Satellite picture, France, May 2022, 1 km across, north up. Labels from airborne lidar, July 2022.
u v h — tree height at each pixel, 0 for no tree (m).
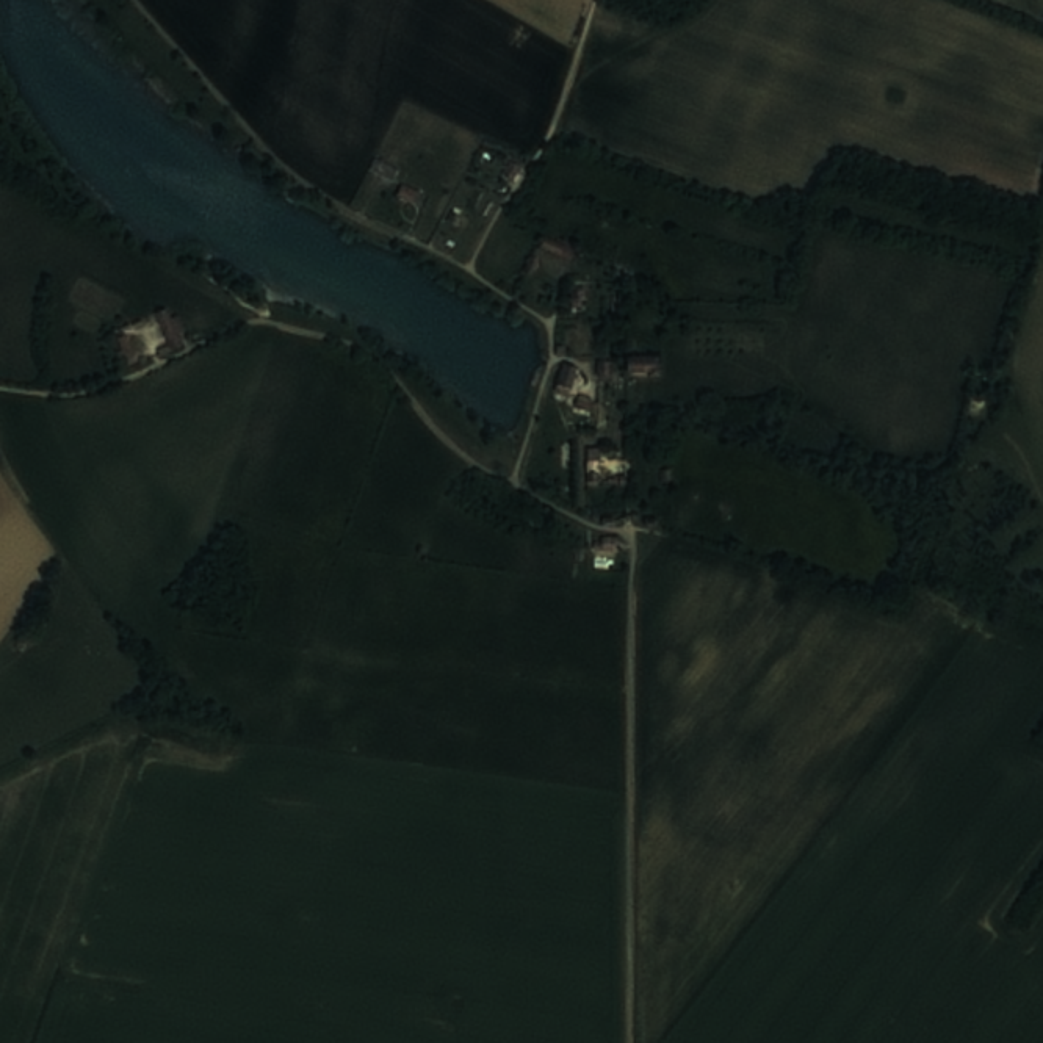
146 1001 0
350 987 0
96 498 0
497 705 0
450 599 0
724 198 13
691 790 0
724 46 0
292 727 0
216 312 0
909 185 20
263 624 0
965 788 0
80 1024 0
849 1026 0
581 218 0
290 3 0
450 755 0
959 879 0
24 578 0
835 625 0
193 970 0
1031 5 0
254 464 0
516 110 0
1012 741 0
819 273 0
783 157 0
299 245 0
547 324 0
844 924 0
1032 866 0
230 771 0
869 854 0
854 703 0
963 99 0
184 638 0
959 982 0
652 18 17
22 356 0
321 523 0
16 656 0
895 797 0
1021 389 0
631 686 0
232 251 0
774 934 0
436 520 0
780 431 16
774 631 0
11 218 0
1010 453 0
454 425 0
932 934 0
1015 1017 0
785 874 0
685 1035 0
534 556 0
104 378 12
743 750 0
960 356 0
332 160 0
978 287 0
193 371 0
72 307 0
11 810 0
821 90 0
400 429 0
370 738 0
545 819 0
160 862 0
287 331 0
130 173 0
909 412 0
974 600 21
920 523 13
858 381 0
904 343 0
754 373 0
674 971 0
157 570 0
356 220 0
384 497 0
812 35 0
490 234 0
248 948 0
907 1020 0
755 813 0
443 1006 0
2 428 0
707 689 0
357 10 0
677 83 0
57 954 0
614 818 0
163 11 0
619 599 0
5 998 0
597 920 0
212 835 0
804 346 0
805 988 0
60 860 0
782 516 0
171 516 0
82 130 0
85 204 16
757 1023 0
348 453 0
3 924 0
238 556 20
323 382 0
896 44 0
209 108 0
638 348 0
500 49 0
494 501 9
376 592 0
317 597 0
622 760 0
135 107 0
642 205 0
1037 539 9
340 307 0
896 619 17
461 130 0
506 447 0
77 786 0
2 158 24
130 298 0
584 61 0
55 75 0
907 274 0
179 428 0
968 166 0
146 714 20
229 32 0
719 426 21
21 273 0
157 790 0
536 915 0
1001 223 22
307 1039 0
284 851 0
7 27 0
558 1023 0
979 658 0
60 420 0
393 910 0
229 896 0
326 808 0
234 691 0
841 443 10
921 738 0
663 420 24
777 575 16
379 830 0
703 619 0
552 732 0
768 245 0
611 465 0
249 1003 0
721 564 0
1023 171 0
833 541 0
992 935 0
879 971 0
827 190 17
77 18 0
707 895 0
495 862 0
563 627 0
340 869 0
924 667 0
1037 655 0
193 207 0
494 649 0
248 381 0
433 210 0
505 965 0
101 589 0
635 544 0
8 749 0
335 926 0
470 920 0
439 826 0
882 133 0
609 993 0
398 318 0
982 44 0
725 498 0
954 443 7
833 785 0
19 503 0
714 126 0
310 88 0
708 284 0
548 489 18
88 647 0
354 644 0
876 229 18
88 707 0
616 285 8
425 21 0
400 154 0
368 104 0
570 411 0
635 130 0
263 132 0
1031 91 0
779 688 0
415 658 0
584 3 0
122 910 0
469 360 0
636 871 0
